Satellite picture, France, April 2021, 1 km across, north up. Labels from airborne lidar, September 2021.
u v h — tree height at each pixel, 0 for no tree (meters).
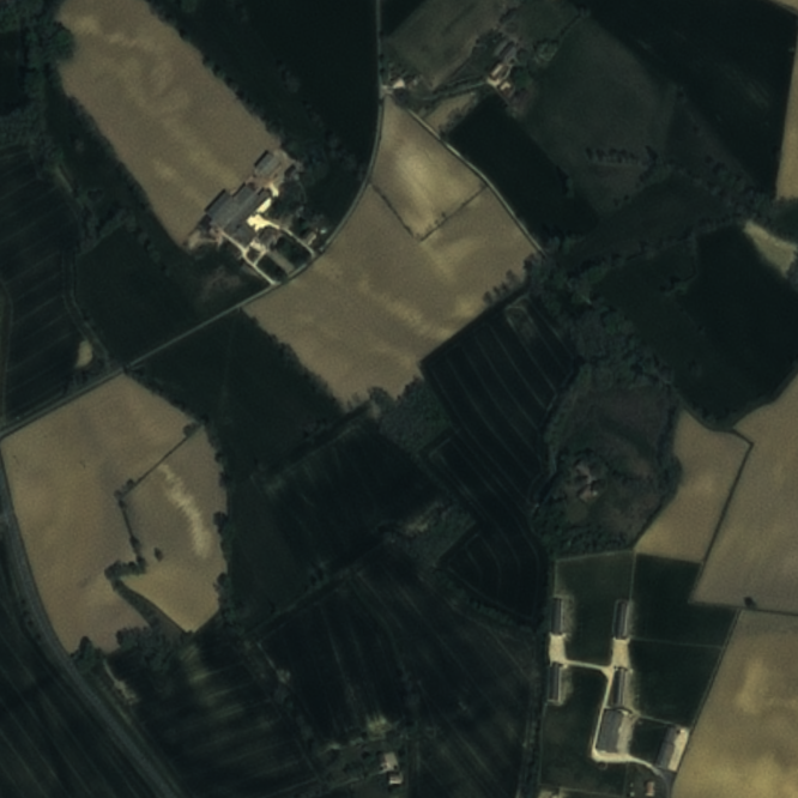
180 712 0
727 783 0
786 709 0
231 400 0
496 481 0
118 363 17
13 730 0
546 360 0
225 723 0
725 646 0
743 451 0
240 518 0
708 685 0
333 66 0
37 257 0
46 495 0
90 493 0
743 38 0
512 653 0
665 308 0
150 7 18
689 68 0
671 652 0
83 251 11
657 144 0
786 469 0
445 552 12
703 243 0
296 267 10
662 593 0
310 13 0
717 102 0
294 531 0
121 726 0
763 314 0
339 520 0
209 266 0
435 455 0
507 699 0
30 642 0
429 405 18
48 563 0
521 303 0
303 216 6
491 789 0
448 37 0
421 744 0
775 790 0
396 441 14
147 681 0
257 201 0
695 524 0
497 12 0
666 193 0
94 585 0
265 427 0
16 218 0
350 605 0
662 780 0
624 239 0
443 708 0
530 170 0
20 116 18
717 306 0
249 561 0
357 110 0
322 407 0
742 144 0
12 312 0
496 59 0
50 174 11
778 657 0
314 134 0
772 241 0
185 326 0
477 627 0
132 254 0
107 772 0
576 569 0
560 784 0
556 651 0
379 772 10
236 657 0
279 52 0
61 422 0
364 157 0
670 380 19
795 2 0
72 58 21
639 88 0
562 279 25
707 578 0
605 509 0
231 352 0
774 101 0
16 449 0
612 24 0
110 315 0
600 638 0
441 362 0
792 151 0
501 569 0
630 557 0
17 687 0
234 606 12
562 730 0
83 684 0
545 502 13
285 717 0
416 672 0
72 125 0
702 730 0
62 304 0
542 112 0
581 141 0
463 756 0
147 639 17
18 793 0
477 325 0
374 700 0
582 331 17
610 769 0
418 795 0
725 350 0
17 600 0
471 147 0
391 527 0
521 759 0
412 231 8
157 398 16
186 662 0
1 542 0
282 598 0
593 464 8
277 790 0
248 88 0
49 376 0
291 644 0
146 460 0
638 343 16
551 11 0
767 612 0
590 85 0
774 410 0
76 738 0
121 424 0
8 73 0
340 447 0
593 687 0
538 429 0
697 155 0
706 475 0
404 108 21
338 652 0
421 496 0
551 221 0
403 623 0
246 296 0
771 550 0
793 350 0
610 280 0
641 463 0
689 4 0
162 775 0
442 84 0
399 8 0
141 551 18
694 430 0
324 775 0
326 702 0
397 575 0
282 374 0
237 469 0
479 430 0
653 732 0
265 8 0
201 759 0
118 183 0
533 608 0
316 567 0
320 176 18
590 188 0
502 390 0
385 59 10
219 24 0
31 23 16
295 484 0
